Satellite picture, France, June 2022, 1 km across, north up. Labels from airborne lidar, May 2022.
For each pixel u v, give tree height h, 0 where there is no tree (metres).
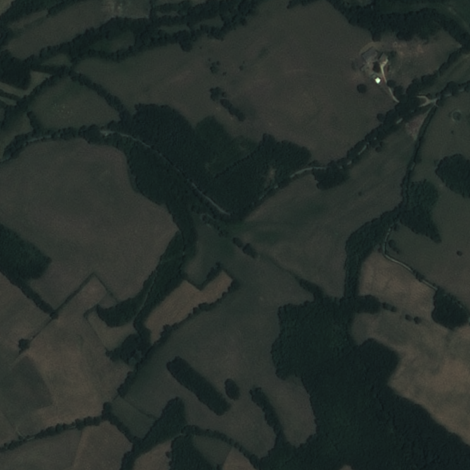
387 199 0
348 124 0
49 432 13
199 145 17
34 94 11
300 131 0
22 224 0
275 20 0
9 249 8
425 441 24
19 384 0
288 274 0
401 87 12
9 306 0
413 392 0
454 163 17
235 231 0
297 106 0
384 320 0
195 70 0
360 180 0
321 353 15
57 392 0
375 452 18
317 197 0
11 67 13
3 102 10
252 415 0
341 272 0
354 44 0
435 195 10
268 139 12
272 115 0
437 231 9
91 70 0
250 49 0
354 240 11
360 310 17
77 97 0
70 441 0
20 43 0
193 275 0
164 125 17
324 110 0
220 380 0
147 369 0
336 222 0
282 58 0
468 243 0
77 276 0
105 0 0
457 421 0
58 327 0
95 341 0
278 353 10
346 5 17
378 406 22
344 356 16
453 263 0
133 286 0
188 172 20
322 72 0
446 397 0
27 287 14
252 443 0
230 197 14
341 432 10
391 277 0
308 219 0
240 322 0
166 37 22
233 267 0
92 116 0
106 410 16
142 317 16
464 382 0
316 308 15
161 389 0
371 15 20
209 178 15
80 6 0
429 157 0
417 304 0
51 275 0
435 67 0
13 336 0
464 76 0
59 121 0
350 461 15
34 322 0
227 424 0
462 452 20
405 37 13
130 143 10
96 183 0
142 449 16
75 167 0
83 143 0
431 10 14
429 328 0
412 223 19
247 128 0
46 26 0
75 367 0
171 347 0
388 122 17
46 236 0
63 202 0
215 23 0
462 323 12
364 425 17
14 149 6
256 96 0
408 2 18
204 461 19
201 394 21
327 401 14
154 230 0
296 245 0
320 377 19
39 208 0
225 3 16
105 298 0
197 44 0
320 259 0
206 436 14
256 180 10
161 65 0
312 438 14
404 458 18
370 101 0
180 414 19
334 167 17
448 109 0
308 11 0
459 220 0
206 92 0
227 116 0
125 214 0
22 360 0
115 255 0
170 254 9
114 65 0
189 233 19
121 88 0
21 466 0
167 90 0
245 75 0
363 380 21
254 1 19
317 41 0
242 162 16
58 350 0
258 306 0
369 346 16
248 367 0
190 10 16
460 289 0
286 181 18
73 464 0
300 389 0
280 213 0
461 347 0
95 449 0
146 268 0
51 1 7
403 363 0
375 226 12
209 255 0
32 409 0
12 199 0
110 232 0
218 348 0
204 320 0
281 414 0
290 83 0
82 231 0
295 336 15
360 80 0
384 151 0
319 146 0
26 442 10
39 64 11
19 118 0
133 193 0
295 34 0
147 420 0
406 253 0
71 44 20
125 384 12
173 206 18
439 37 0
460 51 8
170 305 0
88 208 0
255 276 0
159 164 17
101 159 0
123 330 0
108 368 0
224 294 14
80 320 0
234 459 0
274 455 13
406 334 0
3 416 0
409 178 11
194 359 0
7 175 0
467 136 0
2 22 15
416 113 15
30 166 0
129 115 16
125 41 0
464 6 0
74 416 0
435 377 0
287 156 13
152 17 15
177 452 17
